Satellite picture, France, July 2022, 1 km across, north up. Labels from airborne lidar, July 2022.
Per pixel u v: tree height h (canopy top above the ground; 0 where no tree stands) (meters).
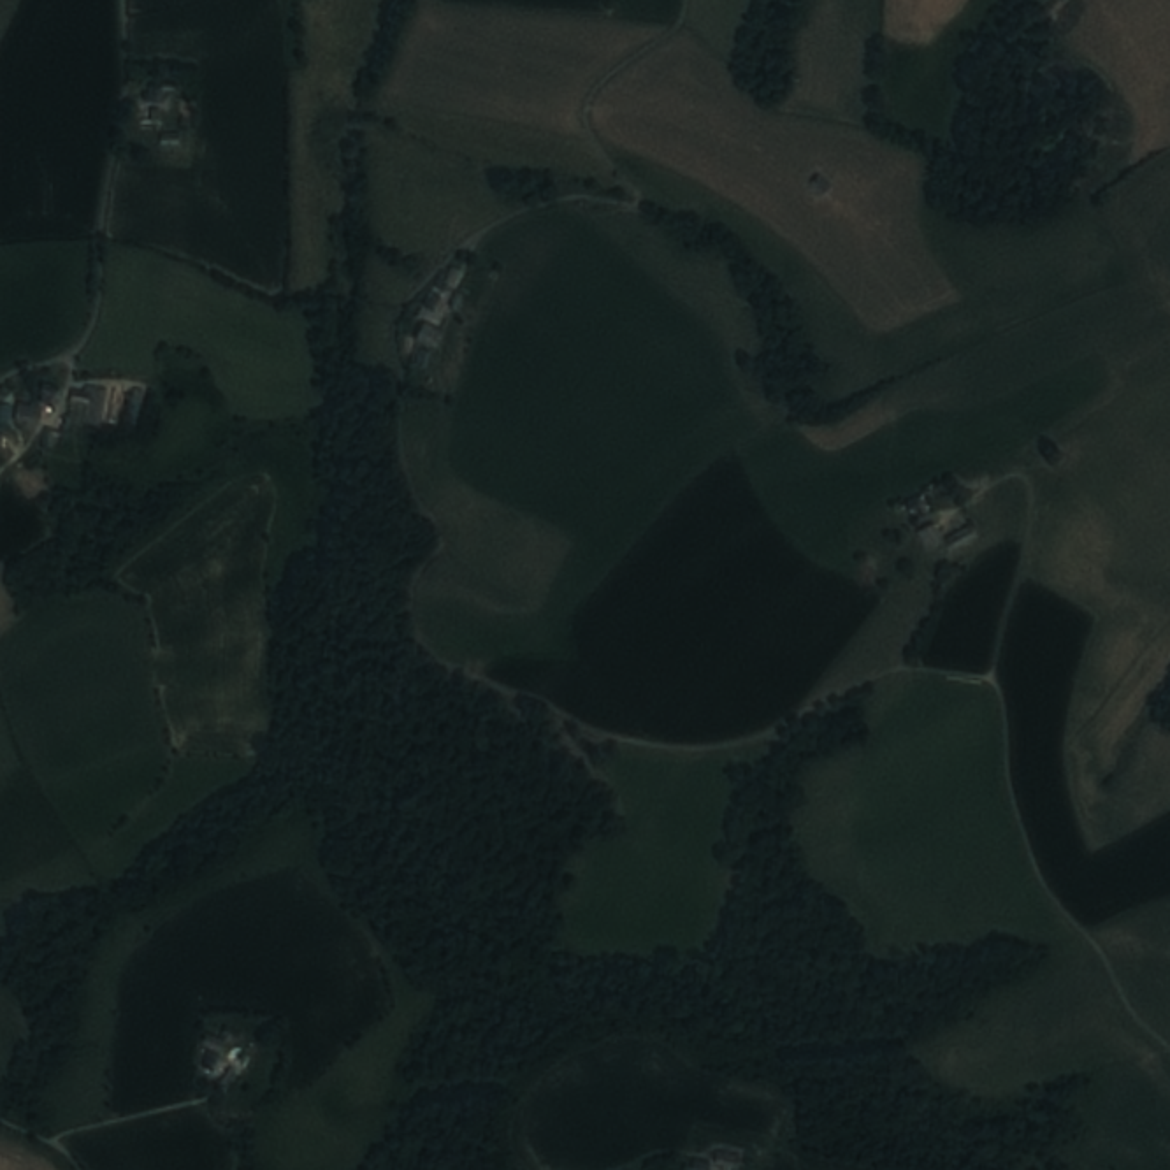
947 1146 27
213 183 0
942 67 0
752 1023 27
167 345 9
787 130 0
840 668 0
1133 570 0
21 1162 0
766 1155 0
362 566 13
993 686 0
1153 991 0
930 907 0
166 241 0
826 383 0
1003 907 0
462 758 19
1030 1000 0
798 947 21
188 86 13
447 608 0
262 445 0
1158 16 0
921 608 0
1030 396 0
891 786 0
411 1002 0
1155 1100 0
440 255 0
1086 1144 0
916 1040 0
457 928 22
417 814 16
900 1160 20
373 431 35
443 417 0
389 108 0
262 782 20
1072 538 0
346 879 19
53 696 0
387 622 23
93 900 21
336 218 9
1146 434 0
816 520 0
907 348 0
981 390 0
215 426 0
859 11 0
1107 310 0
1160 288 0
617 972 25
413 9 11
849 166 0
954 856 0
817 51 0
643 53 0
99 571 10
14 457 0
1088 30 0
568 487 0
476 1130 17
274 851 0
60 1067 8
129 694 0
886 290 0
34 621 0
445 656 0
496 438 0
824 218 0
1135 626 0
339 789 12
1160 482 0
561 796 19
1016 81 27
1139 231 0
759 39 25
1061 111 36
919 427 0
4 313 0
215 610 0
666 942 0
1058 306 0
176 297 0
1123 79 0
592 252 0
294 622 28
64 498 14
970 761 0
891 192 0
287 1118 0
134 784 0
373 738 8
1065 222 0
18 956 20
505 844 18
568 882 16
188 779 0
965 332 0
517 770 16
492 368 0
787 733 17
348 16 0
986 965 26
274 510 0
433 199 0
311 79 0
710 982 22
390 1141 16
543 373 0
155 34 0
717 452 0
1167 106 0
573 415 0
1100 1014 0
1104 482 0
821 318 0
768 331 17
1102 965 0
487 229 0
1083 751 0
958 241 0
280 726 16
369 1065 0
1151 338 0
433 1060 20
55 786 0
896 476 0
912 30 0
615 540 0
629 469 0
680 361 0
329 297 15
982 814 0
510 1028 20
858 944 24
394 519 27
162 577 0
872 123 14
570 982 18
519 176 11
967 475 0
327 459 12
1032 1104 13
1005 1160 8
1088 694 0
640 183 0
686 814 0
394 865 11
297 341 0
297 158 0
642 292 0
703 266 0
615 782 0
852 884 0
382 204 0
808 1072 24
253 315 0
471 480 0
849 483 0
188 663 0
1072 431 0
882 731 0
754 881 21
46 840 0
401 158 0
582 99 0
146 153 20
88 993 0
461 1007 23
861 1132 7
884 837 0
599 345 0
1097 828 0
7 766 0
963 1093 13
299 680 24
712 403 0
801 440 0
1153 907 0
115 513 16
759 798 24
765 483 0
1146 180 0
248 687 0
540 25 0
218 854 19
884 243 0
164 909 0
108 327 0
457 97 0
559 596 0
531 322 0
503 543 0
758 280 19
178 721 0
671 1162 9
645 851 0
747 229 0
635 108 0
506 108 0
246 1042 0
